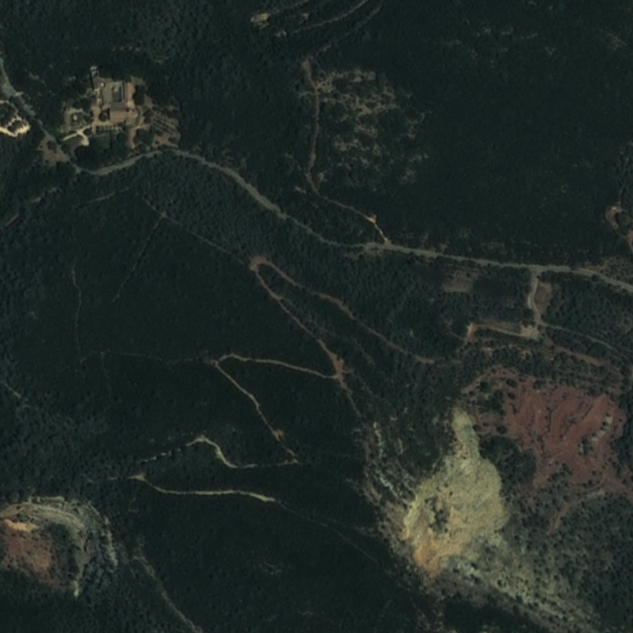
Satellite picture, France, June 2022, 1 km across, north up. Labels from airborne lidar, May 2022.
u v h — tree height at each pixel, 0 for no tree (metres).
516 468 9
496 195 9
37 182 14
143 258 10
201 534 6
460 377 13
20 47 6
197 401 6
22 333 12
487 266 7
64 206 10
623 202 7
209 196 14
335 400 6
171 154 10
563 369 9
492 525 0
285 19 11
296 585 9
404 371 18
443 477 0
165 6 15
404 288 18
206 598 6
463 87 7
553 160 6
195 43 11
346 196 9
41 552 0
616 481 0
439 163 8
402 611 7
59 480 7
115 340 8
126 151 12
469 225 8
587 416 0
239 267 7
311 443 6
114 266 9
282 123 8
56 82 9
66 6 17
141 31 21
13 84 7
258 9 7
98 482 19
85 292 7
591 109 6
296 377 8
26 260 8
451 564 0
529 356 9
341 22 8
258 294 8
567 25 8
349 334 8
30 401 6
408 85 7
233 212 14
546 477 0
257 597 8
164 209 15
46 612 16
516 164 9
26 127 0
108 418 9
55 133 6
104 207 10
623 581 10
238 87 6
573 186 6
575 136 7
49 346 9
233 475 7
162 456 13
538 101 8
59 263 8
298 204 9
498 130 8
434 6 6
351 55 7
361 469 7
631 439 18
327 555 6
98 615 13
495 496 0
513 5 8
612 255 7
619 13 6
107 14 8
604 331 11
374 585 6
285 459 6
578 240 8
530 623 6
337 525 6
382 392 7
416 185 8
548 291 0
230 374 6
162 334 6
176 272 8
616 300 8
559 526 0
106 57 12
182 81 20
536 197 6
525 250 8
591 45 7
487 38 7
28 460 11
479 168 7
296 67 7
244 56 9
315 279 10
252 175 9
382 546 7
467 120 8
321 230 11
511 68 5
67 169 18
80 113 6
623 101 6
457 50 9
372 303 9
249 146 9
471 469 0
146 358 5
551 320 7
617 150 8
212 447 7
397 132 7
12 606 13
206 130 18
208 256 8
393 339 18
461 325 9
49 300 6
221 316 14
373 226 8
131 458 17
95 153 15
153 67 19
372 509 6
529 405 0
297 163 8
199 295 8
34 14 17
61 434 9
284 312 9
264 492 8
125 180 8
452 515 0
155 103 9
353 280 15
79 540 0
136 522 6
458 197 9
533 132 7
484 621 7
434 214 9
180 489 6
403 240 7
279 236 11
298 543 7
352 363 10
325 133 6
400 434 6
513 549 0
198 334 6
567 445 0
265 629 5
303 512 6
